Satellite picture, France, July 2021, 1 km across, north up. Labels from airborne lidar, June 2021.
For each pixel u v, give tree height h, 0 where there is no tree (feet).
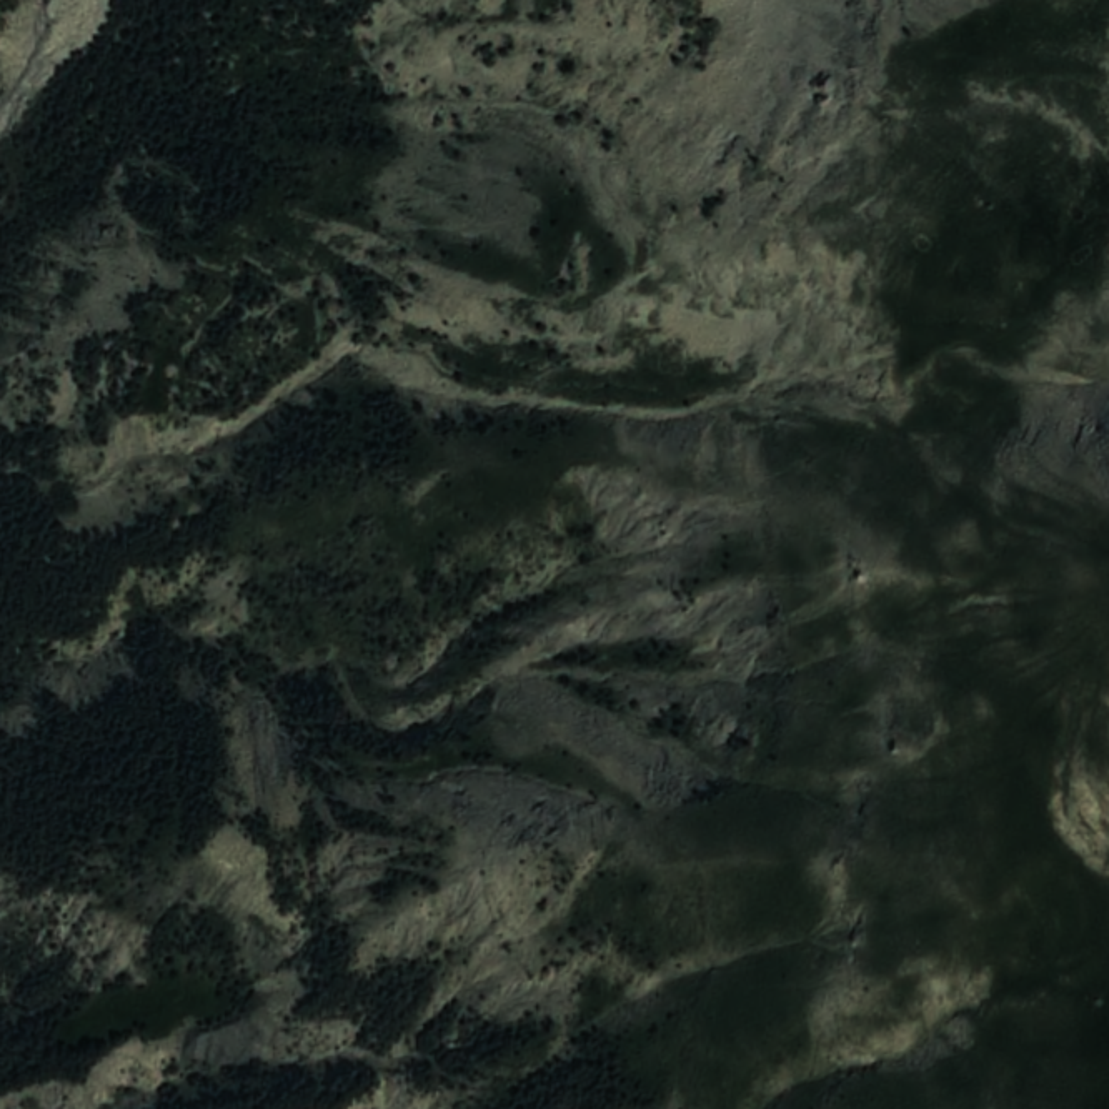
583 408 0
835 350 0
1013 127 0
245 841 0
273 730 0
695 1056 0
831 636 0
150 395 0
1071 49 0
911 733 0
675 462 0
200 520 42
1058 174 0
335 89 23
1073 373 0
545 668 0
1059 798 0
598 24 0
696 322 0
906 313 0
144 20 32
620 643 0
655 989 0
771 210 0
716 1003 0
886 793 0
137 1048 0
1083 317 0
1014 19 0
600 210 0
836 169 0
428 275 0
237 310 20
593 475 0
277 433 25
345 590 31
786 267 0
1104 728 0
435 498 0
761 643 0
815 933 0
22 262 32
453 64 0
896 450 0
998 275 0
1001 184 0
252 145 20
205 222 25
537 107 0
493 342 0
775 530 0
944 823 0
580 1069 30
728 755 0
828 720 0
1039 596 0
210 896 0
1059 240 0
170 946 28
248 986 23
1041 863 0
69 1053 49
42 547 42
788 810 0
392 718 0
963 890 0
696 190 0
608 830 0
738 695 0
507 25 0
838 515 0
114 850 26
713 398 0
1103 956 0
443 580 35
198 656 46
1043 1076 0
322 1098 44
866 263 0
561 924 0
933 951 0
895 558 0
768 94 0
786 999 0
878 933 0
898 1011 0
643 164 0
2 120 0
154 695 34
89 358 19
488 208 0
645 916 0
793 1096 0
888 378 0
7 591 35
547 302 0
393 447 36
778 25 0
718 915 0
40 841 35
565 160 0
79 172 24
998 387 0
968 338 0
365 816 31
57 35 0
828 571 0
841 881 0
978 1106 0
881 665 0
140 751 43
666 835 0
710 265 0
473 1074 19
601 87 0
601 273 0
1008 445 0
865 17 0
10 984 27
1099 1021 0
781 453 0
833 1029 0
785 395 0
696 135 0
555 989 0
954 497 0
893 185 0
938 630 0
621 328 0
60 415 0
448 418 30
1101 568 0
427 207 0
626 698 0
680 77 0
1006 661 0
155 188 20
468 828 0
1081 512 0
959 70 0
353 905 0
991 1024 0
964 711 0
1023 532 0
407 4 0
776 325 0
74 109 35
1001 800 0
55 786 44
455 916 0
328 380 0
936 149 0
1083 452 0
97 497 0
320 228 0
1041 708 0
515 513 0
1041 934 0
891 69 0
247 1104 41
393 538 0
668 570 0
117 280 0
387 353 0
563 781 0
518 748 0
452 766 0
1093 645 0
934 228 0
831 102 0
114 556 48
